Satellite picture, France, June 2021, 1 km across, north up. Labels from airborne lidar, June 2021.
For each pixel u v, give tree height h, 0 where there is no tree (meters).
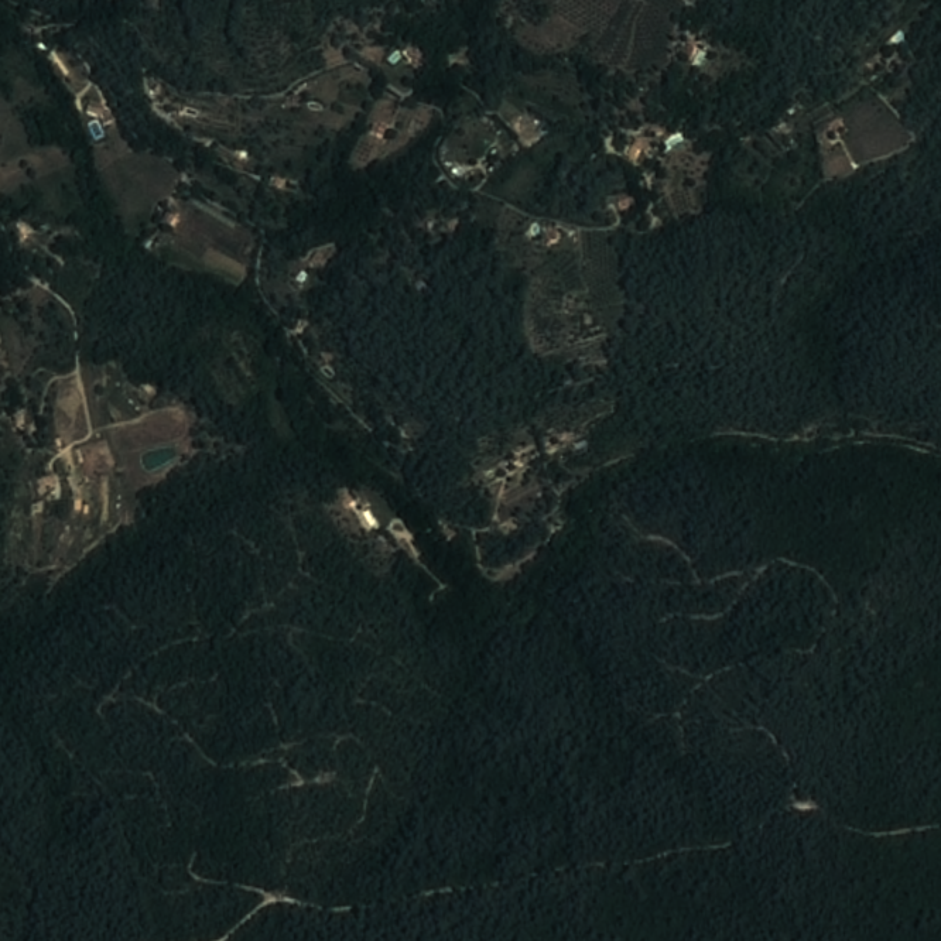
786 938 14
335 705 23
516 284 13
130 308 17
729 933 10
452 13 12
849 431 7
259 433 11
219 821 10
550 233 0
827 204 8
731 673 7
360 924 18
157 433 0
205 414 18
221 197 16
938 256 17
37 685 14
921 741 6
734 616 6
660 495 14
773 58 17
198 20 16
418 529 13
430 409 8
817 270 8
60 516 7
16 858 20
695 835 20
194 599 7
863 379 18
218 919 6
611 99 13
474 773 16
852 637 21
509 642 17
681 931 8
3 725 20
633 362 24
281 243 17
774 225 22
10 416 12
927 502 8
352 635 7
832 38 19
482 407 22
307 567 10
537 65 11
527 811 7
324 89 0
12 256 16
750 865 16
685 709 9
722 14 19
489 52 13
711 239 18
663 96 8
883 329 17
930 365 20
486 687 6
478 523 12
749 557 6
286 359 10
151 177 0
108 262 15
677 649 6
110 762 11
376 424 26
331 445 10
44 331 7
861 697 23
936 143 16
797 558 8
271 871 9
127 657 6
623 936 7
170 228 11
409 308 22
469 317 21
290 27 6
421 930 15
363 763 9
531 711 19
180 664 9
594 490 10
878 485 6
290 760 8
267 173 9
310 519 7
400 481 9
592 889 19
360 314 17
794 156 14
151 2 14
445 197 18
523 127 0
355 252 18
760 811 18
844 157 0
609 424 18
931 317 18
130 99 12
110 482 0
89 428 0
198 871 8
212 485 19
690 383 23
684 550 10
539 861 6
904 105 17
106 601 7
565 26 0
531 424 7
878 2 12
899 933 14
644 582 18
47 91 8
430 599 11
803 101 6
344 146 11
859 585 6
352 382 6
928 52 18
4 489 10
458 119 8
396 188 14
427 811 7
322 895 8
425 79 15
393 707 9
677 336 23
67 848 22
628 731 7
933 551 13
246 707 9
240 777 9
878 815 11
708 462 9
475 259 18
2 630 12
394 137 11
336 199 18
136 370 15
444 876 11
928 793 17
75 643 13
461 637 8
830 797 20
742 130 12
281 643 14
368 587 6
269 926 14
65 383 0
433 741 15
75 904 22
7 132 0
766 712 14
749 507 6
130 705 7
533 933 7
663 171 16
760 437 12
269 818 9
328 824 12
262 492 6
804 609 12
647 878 10
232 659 8
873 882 10
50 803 19
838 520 7
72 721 7
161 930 8
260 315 13
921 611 18
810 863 18
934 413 14
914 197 12
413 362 7
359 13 14
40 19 6
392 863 18
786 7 17
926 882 9
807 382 21
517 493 0
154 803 7
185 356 11
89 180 12
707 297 20
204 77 10
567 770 22
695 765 11
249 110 11
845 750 21
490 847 15
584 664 12
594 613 15
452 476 14
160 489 9
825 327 13
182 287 17
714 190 13
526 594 11
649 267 15
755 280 19
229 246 0
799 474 6
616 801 20
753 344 20
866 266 20
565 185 15
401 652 9
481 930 9
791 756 15
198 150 17
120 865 18
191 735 7
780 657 19
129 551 11
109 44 15
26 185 7
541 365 21
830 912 9
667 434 20
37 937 13
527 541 22
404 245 21
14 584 7
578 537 14
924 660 16
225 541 8
